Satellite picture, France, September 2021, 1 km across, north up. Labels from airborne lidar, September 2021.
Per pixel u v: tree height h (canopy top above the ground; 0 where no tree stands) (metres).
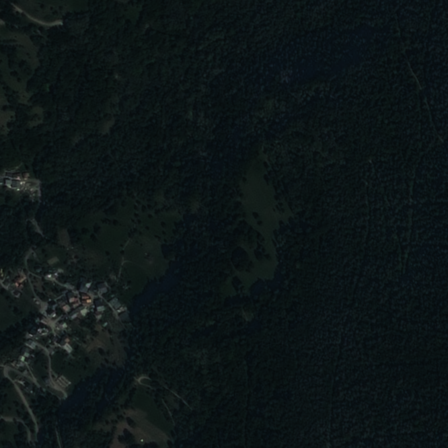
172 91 15
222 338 13
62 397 0
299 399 16
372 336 14
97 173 20
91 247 0
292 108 23
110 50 17
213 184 28
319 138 17
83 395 19
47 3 0
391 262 18
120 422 15
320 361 15
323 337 18
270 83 27
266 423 25
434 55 24
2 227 22
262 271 0
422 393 15
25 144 27
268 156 19
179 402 7
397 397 7
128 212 0
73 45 23
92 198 18
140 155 24
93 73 33
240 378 16
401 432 22
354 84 24
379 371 18
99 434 5
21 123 21
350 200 18
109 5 14
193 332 15
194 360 18
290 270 27
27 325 12
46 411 11
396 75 15
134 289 0
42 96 34
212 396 19
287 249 20
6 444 14
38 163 23
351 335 17
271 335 23
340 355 14
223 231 28
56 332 0
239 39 23
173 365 19
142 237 12
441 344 11
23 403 0
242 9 15
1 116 0
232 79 23
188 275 34
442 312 28
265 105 25
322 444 20
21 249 15
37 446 11
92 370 0
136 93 9
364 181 15
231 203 25
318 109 24
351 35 19
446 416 19
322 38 21
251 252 0
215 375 16
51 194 20
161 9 9
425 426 13
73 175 23
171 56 24
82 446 11
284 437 22
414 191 7
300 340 15
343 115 21
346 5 25
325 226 24
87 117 24
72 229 16
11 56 19
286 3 21
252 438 13
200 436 34
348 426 16
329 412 18
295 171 24
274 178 17
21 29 13
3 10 16
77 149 17
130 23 13
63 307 0
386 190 18
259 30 20
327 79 20
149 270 0
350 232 19
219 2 7
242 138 27
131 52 21
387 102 22
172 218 0
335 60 27
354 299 19
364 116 22
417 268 17
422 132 13
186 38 7
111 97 19
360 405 21
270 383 22
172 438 12
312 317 17
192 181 27
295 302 22
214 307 24
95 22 22
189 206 19
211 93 30
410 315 20
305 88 24
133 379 6
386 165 13
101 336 0
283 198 20
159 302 33
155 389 10
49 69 20
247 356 7
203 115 10
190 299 36
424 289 19
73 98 12
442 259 21
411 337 21
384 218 11
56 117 11
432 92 22
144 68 17
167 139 19
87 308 0
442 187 23
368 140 18
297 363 17
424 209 14
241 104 31
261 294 27
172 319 26
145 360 8
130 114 6
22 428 18
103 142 13
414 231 13
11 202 18
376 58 24
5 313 0
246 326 11
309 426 18
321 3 12
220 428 11
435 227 23
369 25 16
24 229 17
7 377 0
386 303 17
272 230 0
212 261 32
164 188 12
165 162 10
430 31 13
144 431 0
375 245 22
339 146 22
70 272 6
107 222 13
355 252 18
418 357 18
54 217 17
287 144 19
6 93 15
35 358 11
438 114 19
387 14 23
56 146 24
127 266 0
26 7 0
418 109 22
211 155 29
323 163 11
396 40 24
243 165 29
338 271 22
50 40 11
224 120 24
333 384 10
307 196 26
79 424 22
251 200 0
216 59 21
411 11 17
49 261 0
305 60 27
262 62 19
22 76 0
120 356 0
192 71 16
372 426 16
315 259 27
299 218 8
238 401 25
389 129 25
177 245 6
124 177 21
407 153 24
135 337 18
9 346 17
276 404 25
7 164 17
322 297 21
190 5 33
